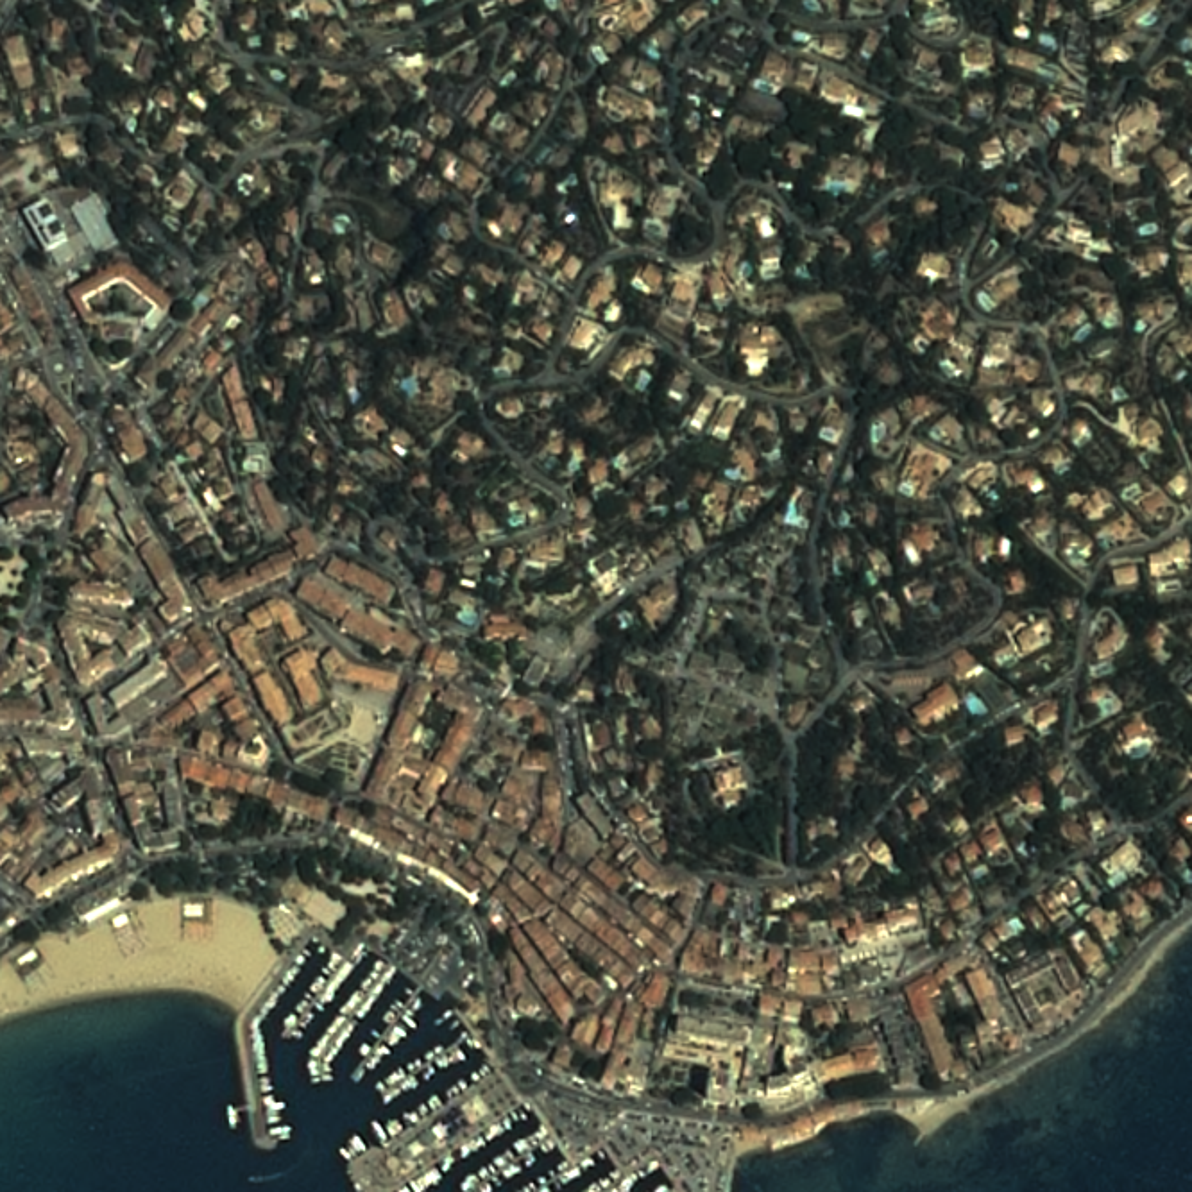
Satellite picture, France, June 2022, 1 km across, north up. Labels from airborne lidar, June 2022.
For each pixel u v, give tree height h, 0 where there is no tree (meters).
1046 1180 0
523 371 9
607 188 0
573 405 10
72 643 0
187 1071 0
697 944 0
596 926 0
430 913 9
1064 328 8
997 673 6
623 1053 0
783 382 9
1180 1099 0
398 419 6
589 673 10
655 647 10
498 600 7
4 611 9
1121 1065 0
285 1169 0
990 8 16
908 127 13
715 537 9
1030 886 12
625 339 8
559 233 8
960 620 6
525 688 9
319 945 0
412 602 0
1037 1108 0
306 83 12
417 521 13
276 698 0
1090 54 7
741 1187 0
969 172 8
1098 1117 0
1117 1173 0
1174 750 7
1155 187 9
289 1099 0
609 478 6
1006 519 13
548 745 12
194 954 0
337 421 5
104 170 10
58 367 0
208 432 0
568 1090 0
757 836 14
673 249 6
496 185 11
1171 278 9
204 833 15
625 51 6
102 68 13
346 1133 0
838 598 12
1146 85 13
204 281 6
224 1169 0
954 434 0
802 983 0
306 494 16
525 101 9
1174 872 12
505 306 7
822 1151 0
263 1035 0
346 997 0
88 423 0
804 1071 0
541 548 0
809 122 13
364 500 8
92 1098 0
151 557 0
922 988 0
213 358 0
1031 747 10
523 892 0
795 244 13
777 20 13
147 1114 0
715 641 8
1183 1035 0
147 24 9
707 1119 0
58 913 10
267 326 6
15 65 0
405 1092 0
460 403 10
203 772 0
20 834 0
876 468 12
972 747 9
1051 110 0
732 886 6
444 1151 0
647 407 7
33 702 0
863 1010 0
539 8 7
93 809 0
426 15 8
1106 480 6
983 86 13
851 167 0
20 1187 0
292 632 0
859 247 12
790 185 13
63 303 0
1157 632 0
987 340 8
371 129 8
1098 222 11
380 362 11
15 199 9
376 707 0
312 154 7
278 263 10
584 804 0
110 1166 0
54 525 0
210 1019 0
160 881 13
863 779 7
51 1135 0
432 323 13
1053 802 12
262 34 7
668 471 15
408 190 6
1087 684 7
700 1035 0
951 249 10
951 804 10
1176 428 7
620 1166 0
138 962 0
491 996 0
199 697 0
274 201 10
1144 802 16
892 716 9
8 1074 0
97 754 7
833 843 13
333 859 13
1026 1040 0
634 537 7
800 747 8
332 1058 0
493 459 6
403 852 0
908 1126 0
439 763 0
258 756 0
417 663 7
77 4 5
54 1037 0
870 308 7
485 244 7
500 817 0
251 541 10
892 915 0
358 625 0
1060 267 14
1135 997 0
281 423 12
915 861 14
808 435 10
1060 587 8
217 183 8
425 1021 0
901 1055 0
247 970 0
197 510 0
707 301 9
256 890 8
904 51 14
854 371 11
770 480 10
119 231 13
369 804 12
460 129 8
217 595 0
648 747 11
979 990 0
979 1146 0
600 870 0
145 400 0
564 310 7
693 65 0
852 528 8
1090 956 0
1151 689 6
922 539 0
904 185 7
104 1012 0
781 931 10
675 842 16
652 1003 0
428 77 13
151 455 7
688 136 14
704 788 14
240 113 10
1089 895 7
